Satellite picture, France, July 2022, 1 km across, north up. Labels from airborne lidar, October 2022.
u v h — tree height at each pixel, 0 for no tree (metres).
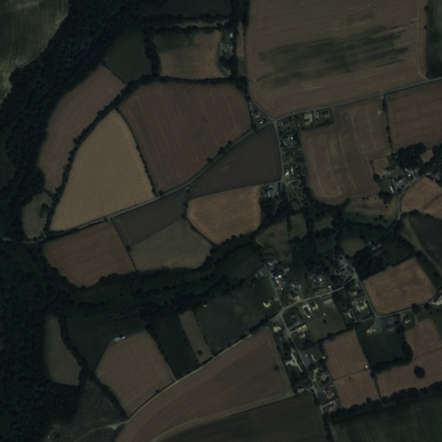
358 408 15
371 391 0
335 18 0
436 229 0
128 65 0
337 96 0
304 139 0
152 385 0
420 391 8
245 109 0
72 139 0
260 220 0
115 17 9
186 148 0
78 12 24
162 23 20
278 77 0
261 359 0
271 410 0
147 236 0
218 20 10
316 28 0
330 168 0
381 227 16
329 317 0
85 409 0
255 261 0
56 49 25
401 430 0
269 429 0
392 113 0
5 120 18
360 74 0
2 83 0
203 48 0
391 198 10
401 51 0
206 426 0
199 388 0
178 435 0
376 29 0
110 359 0
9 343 17
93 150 0
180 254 0
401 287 0
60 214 0
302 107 0
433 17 0
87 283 0
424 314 0
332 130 0
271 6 0
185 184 0
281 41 0
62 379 0
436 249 0
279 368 12
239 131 0
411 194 0
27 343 19
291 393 0
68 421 10
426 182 0
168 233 0
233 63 16
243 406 0
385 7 0
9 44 0
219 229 0
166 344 0
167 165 0
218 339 0
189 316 0
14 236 17
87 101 0
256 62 0
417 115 0
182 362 0
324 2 0
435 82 0
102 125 0
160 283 0
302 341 0
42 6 0
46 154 0
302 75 0
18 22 0
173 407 0
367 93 0
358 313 6
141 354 0
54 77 16
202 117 0
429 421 0
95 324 0
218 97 0
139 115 0
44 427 22
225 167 0
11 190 18
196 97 0
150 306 15
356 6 0
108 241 0
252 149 0
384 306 0
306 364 0
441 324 0
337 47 0
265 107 0
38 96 22
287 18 0
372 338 0
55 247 0
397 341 0
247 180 0
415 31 0
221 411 0
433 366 0
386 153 0
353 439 0
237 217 0
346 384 0
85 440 0
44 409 25
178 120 0
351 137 0
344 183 0
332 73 0
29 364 10
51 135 0
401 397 18
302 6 0
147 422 0
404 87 0
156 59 16
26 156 24
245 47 0
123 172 0
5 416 13
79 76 20
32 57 0
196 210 0
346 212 0
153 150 0
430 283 0
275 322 0
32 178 14
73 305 15
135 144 0
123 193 0
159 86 0
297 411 0
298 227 0
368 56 0
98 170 0
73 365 0
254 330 13
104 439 0
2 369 15
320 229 0
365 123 0
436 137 0
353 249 0
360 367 0
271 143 0
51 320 0
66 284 14
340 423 0
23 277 13
